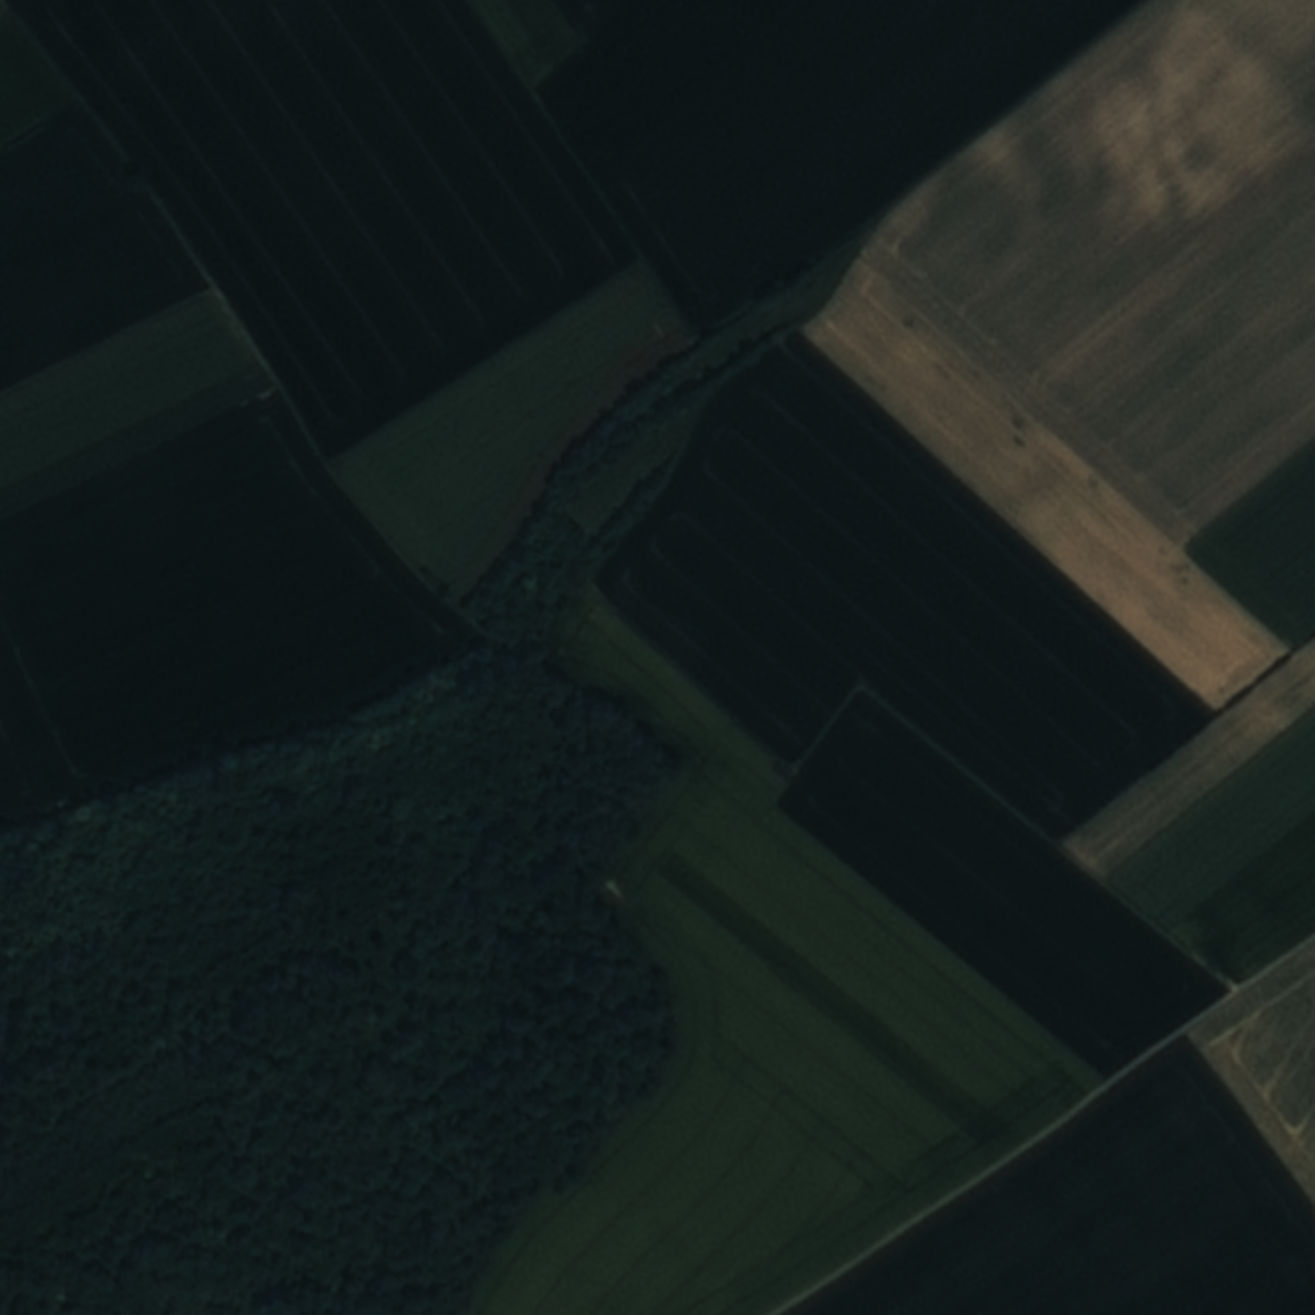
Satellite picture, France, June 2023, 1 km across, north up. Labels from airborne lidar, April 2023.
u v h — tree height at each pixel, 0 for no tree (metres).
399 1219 15
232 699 0
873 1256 0
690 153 0
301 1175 23
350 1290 16
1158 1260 0
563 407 0
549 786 18
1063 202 0
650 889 0
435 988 9
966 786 0
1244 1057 0
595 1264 0
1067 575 0
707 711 0
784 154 0
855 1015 0
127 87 0
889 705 0
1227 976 0
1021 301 0
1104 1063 0
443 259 0
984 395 0
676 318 0
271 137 0
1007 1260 0
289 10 0
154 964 18
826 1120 0
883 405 0
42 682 0
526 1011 29
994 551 0
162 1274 23
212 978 19
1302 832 0
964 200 0
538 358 0
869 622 0
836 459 0
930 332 0
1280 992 0
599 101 0
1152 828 0
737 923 0
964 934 0
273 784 6
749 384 0
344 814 8
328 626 0
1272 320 0
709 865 0
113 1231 16
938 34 0
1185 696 0
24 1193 21
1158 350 0
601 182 0
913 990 0
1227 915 0
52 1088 23
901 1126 0
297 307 0
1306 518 0
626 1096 14
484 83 0
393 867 14
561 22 0
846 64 0
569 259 0
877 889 0
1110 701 0
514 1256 0
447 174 0
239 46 0
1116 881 0
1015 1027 0
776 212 0
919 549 0
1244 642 0
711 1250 0
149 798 8
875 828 0
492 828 26
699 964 0
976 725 0
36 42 0
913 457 0
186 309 0
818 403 0
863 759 0
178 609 0
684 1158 0
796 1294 0
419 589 0
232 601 0
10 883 17
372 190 0
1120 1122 0
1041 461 0
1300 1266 0
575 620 0
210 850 11
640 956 10
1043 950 0
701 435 0
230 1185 8
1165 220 0
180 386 0
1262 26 0
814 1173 0
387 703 8
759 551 0
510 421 0
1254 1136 0
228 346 0
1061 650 0
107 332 0
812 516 0
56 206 0
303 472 0
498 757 14
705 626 0
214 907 17
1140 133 0
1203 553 0
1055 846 0
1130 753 0
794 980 0
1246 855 0
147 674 0
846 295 0
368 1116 22
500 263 0
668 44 0
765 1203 0
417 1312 19
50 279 0
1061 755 0
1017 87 0
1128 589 0
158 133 0
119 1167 16
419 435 0
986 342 0
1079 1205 0
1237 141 0
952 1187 0
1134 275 0
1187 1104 0
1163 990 0
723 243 0
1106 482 0
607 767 19
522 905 18
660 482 10
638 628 0
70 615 0
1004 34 0
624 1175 0
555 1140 24
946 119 0
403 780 11
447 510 0
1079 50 0
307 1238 20
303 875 10
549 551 11
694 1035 0
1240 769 0
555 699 12
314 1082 17
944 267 0
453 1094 21
